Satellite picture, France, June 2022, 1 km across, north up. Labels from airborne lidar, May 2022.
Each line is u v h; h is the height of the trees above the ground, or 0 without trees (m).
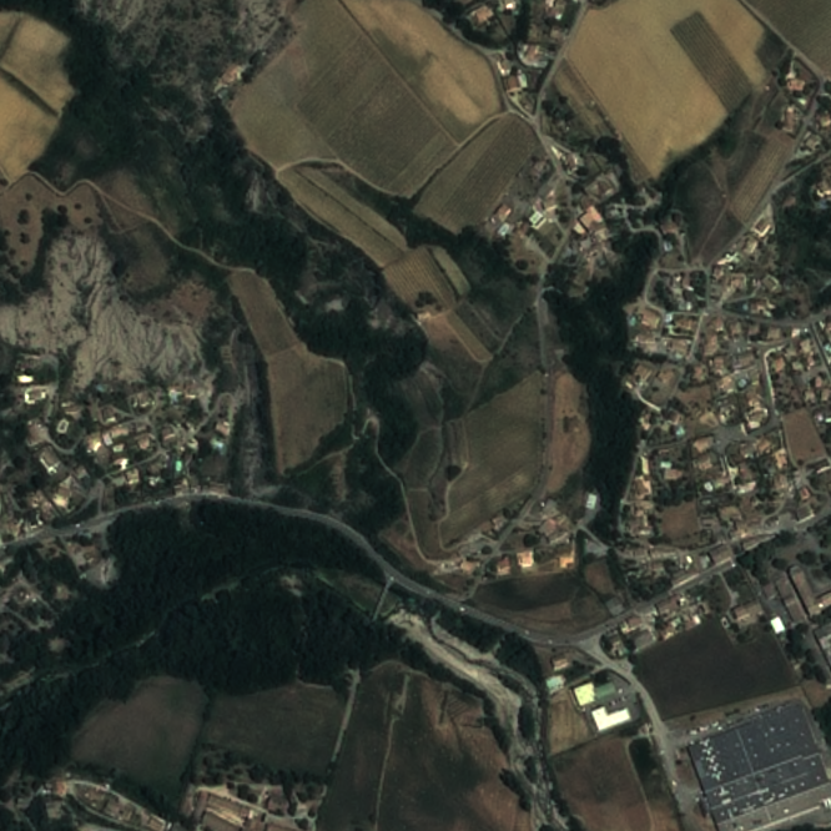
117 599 22
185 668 25
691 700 0
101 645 22
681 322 0
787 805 0
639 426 8
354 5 0
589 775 0
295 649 13
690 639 0
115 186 0
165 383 6
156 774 0
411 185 0
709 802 0
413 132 0
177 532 12
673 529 0
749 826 0
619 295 15
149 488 10
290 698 0
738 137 0
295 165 0
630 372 10
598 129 0
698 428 0
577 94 0
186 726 0
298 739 0
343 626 20
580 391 0
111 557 7
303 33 0
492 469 0
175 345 0
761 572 19
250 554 14
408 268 0
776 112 0
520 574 0
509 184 0
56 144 7
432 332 0
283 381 0
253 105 0
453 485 0
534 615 0
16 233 0
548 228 0
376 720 0
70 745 14
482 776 0
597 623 0
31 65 0
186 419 8
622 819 0
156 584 9
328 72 0
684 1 0
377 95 0
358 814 0
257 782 22
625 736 0
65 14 15
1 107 0
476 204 0
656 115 0
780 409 6
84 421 11
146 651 19
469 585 7
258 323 0
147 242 0
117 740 0
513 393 0
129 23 0
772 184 0
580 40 0
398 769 0
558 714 0
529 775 13
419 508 0
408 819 0
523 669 18
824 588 0
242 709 0
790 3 0
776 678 0
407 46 0
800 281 8
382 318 0
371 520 17
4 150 0
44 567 14
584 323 13
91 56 8
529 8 10
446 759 0
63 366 10
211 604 10
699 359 6
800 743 0
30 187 0
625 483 12
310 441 0
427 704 0
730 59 0
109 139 6
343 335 18
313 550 15
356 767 0
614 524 13
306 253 7
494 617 0
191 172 14
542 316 0
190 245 7
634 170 0
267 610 9
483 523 0
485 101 0
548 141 0
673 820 0
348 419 10
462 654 0
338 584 0
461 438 0
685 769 0
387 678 0
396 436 14
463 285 0
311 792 6
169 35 7
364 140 0
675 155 0
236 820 0
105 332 0
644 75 0
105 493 0
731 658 0
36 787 12
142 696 0
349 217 0
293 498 8
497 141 0
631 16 0
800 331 0
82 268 0
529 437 0
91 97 12
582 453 0
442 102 0
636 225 8
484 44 9
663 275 7
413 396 0
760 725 0
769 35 0
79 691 18
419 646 14
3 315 0
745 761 0
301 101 0
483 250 13
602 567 0
